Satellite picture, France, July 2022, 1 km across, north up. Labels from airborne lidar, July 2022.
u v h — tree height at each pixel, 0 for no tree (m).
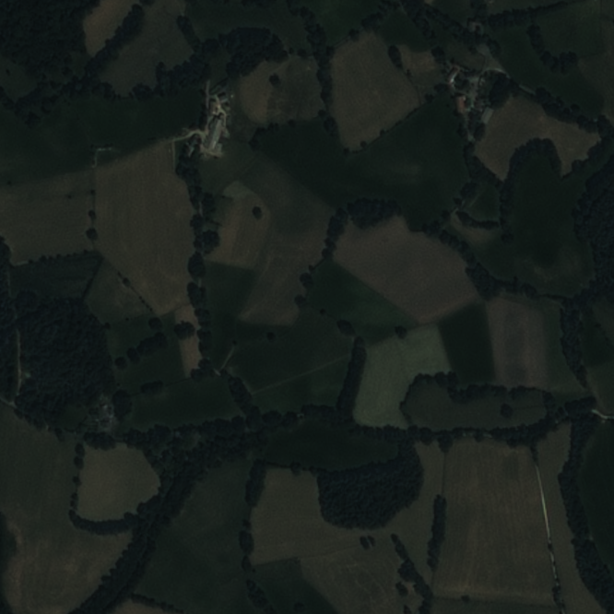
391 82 0
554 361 0
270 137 0
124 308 0
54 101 16
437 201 0
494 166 0
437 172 0
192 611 0
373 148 0
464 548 0
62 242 0
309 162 0
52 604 0
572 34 0
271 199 0
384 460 0
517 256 0
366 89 0
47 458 0
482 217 0
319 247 0
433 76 0
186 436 20
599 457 0
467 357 0
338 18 0
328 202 0
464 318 0
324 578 0
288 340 0
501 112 0
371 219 13
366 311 0
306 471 10
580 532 18
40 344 17
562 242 0
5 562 0
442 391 0
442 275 0
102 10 0
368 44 0
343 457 0
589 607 0
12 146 0
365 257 0
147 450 16
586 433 26
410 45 0
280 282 0
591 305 15
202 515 0
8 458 0
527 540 0
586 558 22
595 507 0
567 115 22
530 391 8
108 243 0
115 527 26
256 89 0
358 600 0
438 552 17
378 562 0
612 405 0
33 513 0
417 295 0
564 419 10
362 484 25
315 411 22
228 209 0
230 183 0
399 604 0
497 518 0
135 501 0
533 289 17
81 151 0
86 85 21
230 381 19
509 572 0
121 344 0
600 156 23
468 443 0
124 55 0
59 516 0
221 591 0
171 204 0
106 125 0
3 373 11
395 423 0
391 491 19
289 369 0
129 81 0
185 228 0
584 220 19
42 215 0
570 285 0
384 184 0
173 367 0
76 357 17
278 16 0
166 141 0
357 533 0
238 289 0
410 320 0
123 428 0
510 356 0
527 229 0
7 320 28
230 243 0
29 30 22
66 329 16
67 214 0
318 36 25
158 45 0
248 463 0
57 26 26
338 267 0
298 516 0
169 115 0
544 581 0
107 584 16
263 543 0
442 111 0
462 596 0
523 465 0
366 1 0
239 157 0
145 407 0
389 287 0
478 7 23
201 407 0
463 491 0
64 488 0
